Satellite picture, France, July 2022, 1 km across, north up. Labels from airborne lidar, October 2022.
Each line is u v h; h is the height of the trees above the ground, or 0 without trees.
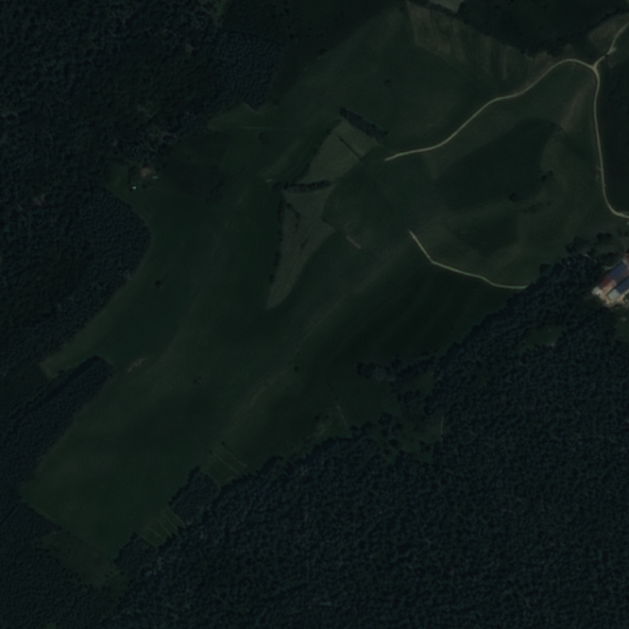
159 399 0
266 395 0
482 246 0
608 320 6
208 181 0
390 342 0
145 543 24
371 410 0
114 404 0
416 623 30
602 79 0
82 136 20
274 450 0
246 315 0
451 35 0
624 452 7
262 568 19
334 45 0
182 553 22
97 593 13
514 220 0
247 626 19
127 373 0
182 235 0
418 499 25
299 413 0
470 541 13
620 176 0
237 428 0
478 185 0
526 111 0
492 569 24
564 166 0
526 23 0
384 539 27
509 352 17
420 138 0
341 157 0
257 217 0
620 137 0
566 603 20
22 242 12
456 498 11
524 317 25
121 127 26
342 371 0
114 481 0
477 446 16
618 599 16
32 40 6
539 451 16
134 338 0
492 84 0
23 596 15
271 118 0
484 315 0
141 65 20
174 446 0
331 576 22
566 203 0
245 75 30
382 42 0
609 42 0
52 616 15
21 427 30
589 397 19
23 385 13
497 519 16
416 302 0
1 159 9
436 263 0
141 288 0
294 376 0
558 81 0
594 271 13
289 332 0
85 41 22
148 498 0
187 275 0
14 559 17
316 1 0
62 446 0
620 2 0
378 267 0
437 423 0
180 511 27
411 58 0
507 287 0
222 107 21
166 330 0
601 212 0
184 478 0
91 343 0
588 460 21
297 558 26
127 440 0
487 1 0
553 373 18
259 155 0
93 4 6
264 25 10
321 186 9
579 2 0
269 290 0
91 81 20
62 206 23
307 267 0
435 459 8
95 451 0
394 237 0
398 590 11
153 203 0
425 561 22
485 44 0
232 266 0
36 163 17
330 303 0
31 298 21
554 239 0
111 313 0
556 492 19
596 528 15
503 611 23
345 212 0
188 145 0
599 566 31
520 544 19
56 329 21
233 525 29
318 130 0
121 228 30
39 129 21
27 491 0
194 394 0
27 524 27
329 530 18
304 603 21
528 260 0
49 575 13
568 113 0
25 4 18
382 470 26
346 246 0
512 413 9
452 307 0
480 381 6
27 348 24
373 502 30
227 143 0
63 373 13
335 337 0
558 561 20
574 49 0
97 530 0
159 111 8
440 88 0
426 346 0
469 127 0
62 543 0
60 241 15
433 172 0
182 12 21
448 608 24
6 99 27
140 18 22
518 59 0
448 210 0
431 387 0
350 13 0
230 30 6
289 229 0
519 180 0
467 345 15
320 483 19
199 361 0
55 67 12
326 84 0
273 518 21
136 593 15
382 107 0
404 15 0
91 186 14
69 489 0
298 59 0
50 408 28
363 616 25
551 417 20
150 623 19
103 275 27
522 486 11
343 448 20
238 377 0
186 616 21
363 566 22
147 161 28
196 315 0
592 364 22
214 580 20
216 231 0
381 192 0
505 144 0
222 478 0
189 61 21
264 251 0
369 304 0
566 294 25
